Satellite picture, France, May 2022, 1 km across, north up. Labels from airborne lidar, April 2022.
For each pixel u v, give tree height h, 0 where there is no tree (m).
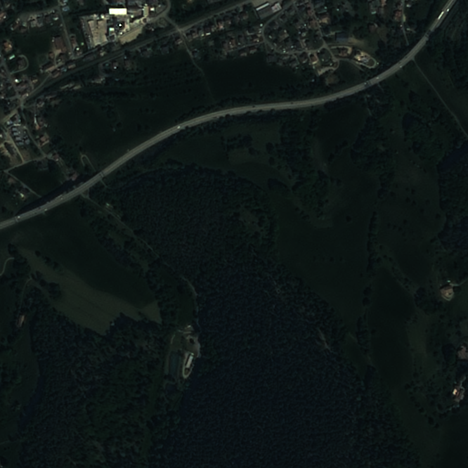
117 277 0
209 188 21
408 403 0
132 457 38
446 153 9
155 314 0
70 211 0
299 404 29
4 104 14
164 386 0
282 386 29
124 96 11
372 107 15
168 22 0
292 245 0
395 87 0
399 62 0
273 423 32
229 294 26
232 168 0
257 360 33
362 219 0
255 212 11
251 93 0
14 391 0
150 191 19
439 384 0
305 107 0
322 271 0
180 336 0
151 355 9
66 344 36
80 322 0
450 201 25
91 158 0
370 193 0
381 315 0
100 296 0
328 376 27
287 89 9
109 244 28
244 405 34
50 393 22
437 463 0
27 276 9
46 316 14
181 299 0
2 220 0
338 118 0
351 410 30
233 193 24
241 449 34
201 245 21
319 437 31
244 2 0
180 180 22
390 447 18
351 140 0
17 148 0
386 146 16
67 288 0
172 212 16
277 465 30
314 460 26
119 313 0
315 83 10
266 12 0
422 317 0
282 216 0
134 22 0
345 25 16
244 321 36
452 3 0
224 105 9
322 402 28
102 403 27
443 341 0
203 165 0
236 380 32
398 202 0
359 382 17
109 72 8
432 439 0
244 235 17
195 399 32
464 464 0
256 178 0
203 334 25
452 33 0
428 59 0
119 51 0
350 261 0
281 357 31
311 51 0
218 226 19
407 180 0
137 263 10
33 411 20
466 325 0
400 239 0
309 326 26
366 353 21
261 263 20
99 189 9
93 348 39
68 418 22
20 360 0
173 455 32
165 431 28
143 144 0
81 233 0
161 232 19
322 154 0
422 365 0
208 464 27
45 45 0
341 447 29
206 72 0
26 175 0
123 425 32
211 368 23
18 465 0
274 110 7
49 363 22
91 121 0
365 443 32
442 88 0
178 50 7
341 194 0
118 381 29
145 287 0
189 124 0
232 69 0
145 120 0
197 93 0
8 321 0
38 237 0
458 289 7
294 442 30
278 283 29
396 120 0
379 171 18
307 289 10
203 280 31
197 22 0
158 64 0
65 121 0
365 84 0
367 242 0
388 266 0
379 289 0
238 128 0
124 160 0
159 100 0
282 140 9
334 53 0
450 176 28
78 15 6
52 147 7
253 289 29
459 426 0
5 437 0
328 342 9
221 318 30
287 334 27
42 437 27
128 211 22
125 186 11
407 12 0
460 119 0
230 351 34
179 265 19
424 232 0
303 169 28
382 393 24
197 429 30
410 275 0
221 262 24
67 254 0
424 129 31
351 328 0
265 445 33
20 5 12
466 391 14
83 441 28
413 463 24
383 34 0
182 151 0
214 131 14
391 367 0
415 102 21
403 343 0
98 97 13
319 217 8
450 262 0
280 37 0
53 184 0
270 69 0
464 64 11
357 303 0
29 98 0
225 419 30
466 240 33
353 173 0
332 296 0
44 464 31
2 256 0
